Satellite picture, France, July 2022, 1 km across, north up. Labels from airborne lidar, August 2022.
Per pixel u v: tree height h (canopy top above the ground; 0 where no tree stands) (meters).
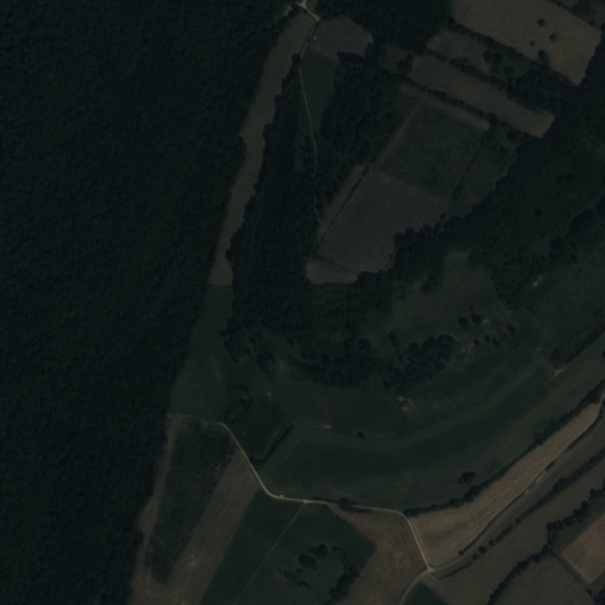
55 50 21
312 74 0
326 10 14
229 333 12
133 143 17
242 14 16
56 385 22
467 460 0
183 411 0
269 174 12
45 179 20
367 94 18
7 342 17
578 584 0
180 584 0
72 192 15
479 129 0
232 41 18
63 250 18
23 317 18
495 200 16
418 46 21
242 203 0
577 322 0
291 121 11
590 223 19
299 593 0
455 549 0
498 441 0
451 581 0
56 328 17
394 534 0
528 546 0
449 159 0
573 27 0
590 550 0
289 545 0
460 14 0
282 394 0
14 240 21
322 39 0
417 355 20
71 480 24
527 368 0
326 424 0
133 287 18
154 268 18
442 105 0
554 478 0
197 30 15
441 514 0
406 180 0
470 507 0
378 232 0
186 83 12
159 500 0
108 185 19
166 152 15
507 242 12
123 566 21
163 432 21
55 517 24
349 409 0
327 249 0
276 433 0
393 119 15
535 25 0
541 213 22
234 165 17
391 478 0
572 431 0
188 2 23
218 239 13
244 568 0
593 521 0
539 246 0
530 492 0
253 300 24
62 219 19
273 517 0
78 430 23
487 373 0
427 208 0
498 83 14
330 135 22
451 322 0
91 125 19
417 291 0
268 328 19
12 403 20
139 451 25
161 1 19
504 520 0
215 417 0
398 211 0
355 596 0
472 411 0
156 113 19
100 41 17
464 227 17
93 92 17
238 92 21
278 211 11
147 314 24
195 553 0
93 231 16
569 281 0
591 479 0
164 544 0
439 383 0
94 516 23
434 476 0
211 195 20
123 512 9
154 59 17
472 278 0
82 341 16
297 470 0
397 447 0
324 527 0
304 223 20
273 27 12
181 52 14
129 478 19
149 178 15
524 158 16
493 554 0
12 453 20
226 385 0
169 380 22
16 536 19
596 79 18
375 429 0
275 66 0
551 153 20
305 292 19
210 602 0
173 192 19
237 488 0
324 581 0
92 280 17
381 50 17
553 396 0
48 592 21
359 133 14
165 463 0
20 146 21
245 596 0
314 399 0
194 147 17
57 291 18
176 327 20
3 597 17
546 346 0
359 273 0
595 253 0
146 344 22
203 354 0
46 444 22
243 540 0
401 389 17
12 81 19
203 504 0
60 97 17
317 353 17
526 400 0
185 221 23
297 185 10
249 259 10
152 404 17
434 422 0
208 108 17
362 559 0
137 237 19
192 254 20
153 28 15
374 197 0
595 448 0
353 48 0
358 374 22
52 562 21
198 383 0
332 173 18
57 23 19
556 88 20
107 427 24
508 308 0
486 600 0
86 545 26
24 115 18
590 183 5
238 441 0
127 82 15
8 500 19
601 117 8
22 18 21
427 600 0
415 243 19
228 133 21
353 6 23
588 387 0
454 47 0
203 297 19
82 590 15
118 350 21
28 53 20
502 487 0
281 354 0
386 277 10
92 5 20
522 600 0
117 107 18
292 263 20
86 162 25
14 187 19
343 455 0
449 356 15
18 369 22
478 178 0
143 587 0
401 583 0
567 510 0
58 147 22
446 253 14
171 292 19
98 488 25
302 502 0
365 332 0
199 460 0
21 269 21
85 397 22
